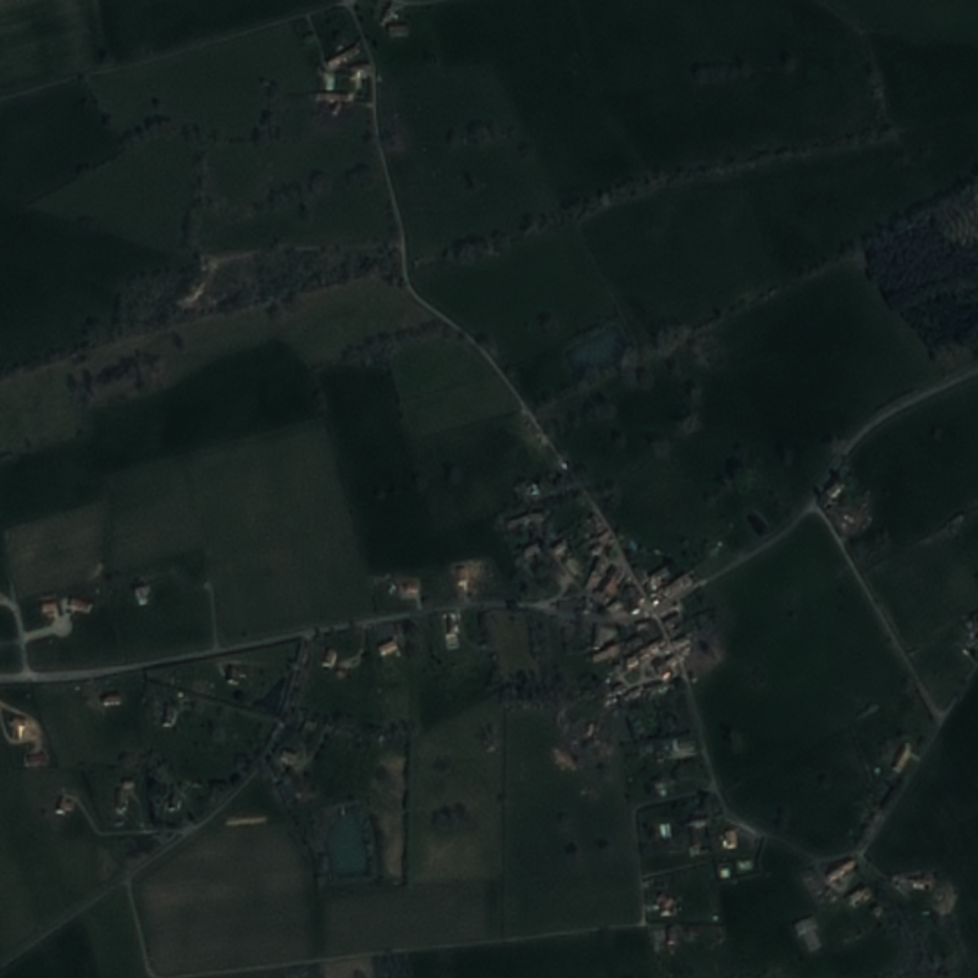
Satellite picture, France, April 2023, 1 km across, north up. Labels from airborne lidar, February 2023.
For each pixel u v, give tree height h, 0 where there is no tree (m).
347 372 0
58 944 0
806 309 0
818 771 0
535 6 0
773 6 0
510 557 6
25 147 0
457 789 0
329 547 0
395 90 0
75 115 0
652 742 10
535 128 0
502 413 0
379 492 9
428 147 0
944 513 0
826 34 0
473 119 0
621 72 0
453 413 0
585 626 12
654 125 0
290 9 0
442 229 0
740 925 0
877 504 0
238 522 0
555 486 7
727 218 0
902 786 6
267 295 8
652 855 14
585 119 0
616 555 8
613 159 0
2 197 0
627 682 0
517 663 0
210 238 0
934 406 0
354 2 0
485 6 0
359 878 6
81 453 0
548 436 15
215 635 0
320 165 0
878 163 0
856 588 0
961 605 0
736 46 0
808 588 0
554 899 0
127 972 0
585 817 0
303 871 0
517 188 0
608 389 0
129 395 0
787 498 0
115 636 0
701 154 0
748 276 0
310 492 0
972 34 0
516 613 8
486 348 16
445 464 0
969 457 0
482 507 0
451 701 0
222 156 0
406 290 12
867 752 0
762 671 0
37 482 0
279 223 0
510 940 0
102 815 0
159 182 0
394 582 0
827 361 0
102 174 0
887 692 0
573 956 0
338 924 0
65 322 0
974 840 0
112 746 0
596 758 0
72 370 0
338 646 0
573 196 0
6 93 0
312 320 0
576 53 0
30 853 0
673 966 0
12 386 0
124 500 0
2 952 0
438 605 0
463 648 0
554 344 0
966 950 0
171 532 0
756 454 0
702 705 0
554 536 6
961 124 0
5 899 0
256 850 0
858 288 0
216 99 0
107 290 0
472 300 0
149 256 0
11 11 0
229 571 0
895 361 0
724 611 0
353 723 13
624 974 0
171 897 0
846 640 0
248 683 0
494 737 17
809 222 0
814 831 0
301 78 0
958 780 0
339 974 0
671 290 0
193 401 0
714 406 0
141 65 0
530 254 0
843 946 0
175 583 0
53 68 0
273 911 0
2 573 0
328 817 0
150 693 14
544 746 0
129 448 0
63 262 0
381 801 0
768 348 0
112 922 0
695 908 0
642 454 0
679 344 18
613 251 0
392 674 0
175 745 0
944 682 0
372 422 0
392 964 9
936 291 22
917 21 0
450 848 0
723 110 0
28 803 0
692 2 0
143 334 20
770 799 0
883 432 0
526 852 0
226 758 0
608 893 0
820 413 0
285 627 0
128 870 0
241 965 0
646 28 0
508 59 0
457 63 0
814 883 0
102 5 0
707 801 14
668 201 0
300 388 0
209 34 0
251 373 0
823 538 0
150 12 0
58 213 0
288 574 0
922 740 6
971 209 21
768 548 0
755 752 0
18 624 0
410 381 0
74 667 0
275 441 0
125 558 0
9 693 0
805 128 0
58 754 0
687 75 0
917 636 0
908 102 0
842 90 0
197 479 0
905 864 0
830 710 0
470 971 0
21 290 0
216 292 0
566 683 13
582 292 0
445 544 0
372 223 0
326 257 7
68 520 0
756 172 0
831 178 0
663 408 0
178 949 0
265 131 10
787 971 0
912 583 0
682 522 0
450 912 0
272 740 7
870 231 0
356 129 0
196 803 0
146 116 0
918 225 15
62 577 0
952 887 0
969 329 10
